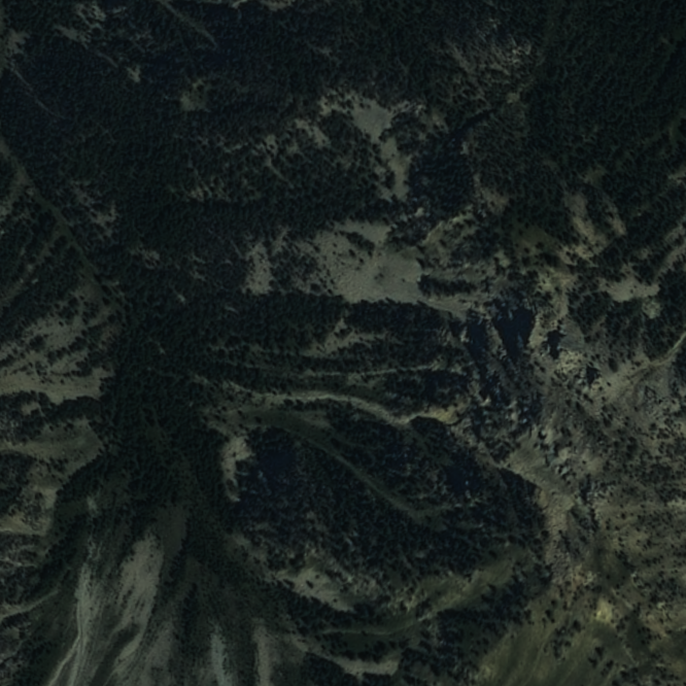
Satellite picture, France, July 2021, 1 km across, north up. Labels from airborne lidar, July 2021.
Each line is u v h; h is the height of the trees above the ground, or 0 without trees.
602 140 15
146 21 13
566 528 0
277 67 16
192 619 14
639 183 15
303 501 9
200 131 12
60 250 20
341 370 14
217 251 10
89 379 0
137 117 16
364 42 18
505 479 11
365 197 12
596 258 11
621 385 0
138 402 17
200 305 16
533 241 0
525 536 8
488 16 9
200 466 16
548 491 0
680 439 7
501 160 9
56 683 0
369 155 13
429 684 0
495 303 0
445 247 13
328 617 18
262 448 19
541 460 0
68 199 17
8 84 20
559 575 0
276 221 13
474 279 0
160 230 21
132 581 0
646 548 11
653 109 17
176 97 10
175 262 8
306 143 6
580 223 0
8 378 0
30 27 17
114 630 0
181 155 11
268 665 0
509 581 0
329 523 16
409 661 16
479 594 0
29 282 10
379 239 0
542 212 9
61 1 20
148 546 0
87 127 16
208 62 18
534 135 8
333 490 7
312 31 12
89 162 18
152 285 17
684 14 17
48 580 13
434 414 0
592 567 0
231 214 20
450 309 0
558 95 20
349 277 0
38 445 0
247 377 11
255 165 18
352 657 18
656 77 11
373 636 0
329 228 10
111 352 19
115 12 10
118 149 16
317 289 14
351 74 9
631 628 0
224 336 21
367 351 10
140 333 15
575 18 9
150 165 21
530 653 0
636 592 0
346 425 17
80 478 19
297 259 15
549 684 0
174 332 28
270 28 20
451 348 6
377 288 0
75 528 18
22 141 15
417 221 10
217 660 0
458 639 16
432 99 13
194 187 18
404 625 0
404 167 0
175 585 12
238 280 16
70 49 18
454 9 14
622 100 14
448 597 0
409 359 12
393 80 12
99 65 12
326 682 10
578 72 19
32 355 0
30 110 11
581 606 0
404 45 22
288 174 16
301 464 22
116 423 18
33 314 15
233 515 17
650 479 8
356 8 10
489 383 6
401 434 7
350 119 8
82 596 0
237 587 6
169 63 16
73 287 16
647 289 0
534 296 9
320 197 24
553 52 9
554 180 7
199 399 14
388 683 11
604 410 6
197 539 11
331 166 16
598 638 0
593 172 7
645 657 0
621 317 7
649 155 11
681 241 13
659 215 6
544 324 13
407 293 0
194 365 14
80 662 0
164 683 0
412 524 10
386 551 8
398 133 13
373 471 11
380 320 15
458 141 8
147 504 18
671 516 7
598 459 0
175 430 12
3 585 13
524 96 9
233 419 0
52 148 14
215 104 17
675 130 0
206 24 12
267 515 16
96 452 0
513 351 0
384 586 31
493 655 0
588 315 7
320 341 16
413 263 0
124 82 7
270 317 19
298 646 0
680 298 24
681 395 8
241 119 8
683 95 18
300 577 0
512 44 9
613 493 11
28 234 17
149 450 18
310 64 21
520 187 15
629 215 15
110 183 16
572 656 0
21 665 8
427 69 20
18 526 0
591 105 8
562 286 0
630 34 14
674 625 0
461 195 13
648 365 0
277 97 10
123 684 0
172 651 0
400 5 17
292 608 10
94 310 11
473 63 0
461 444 6
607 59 12
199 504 8
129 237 19
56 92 15
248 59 15
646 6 21
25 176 0
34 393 15
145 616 0
